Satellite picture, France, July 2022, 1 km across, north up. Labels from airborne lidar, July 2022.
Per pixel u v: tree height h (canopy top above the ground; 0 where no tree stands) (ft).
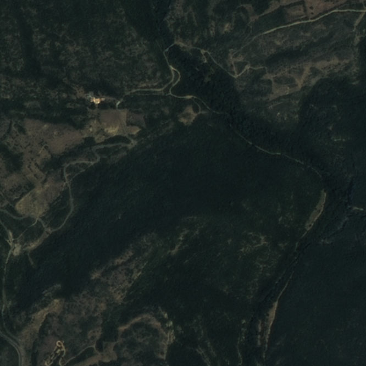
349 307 19
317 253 24
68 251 25
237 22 30
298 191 22
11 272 19
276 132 34
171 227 19
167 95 25
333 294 21
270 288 31
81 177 26
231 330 28
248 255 21
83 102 18
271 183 30
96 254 23
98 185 18
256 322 76
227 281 22
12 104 21
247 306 31
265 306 62
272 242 24
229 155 37
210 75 26
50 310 0
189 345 29
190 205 28
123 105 17
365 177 27
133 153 27
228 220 21
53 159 25
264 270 18
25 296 26
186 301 26
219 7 31
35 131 0
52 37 19
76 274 20
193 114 0
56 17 25
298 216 23
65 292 21
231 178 30
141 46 18
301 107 24
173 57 37
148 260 22
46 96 19
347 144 23
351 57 0
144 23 31
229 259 28
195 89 38
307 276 19
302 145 40
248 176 36
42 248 30
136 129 0
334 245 28
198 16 19
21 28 28
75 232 26
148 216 27
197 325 21
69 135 0
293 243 24
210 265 27
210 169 25
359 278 20
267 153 22
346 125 22
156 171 24
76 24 21
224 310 28
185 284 33
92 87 20
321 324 18
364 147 27
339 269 22
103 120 0
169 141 18
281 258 27
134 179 18
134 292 22
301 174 22
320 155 33
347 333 17
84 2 18
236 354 18
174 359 24
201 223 19
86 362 0
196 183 24
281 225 27
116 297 0
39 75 23
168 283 29
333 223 22
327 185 33
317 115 23
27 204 0
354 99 36
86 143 19
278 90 0
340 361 18
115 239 24
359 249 37
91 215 22
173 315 18
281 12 23
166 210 23
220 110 49
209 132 18
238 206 26
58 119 23
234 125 44
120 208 25
